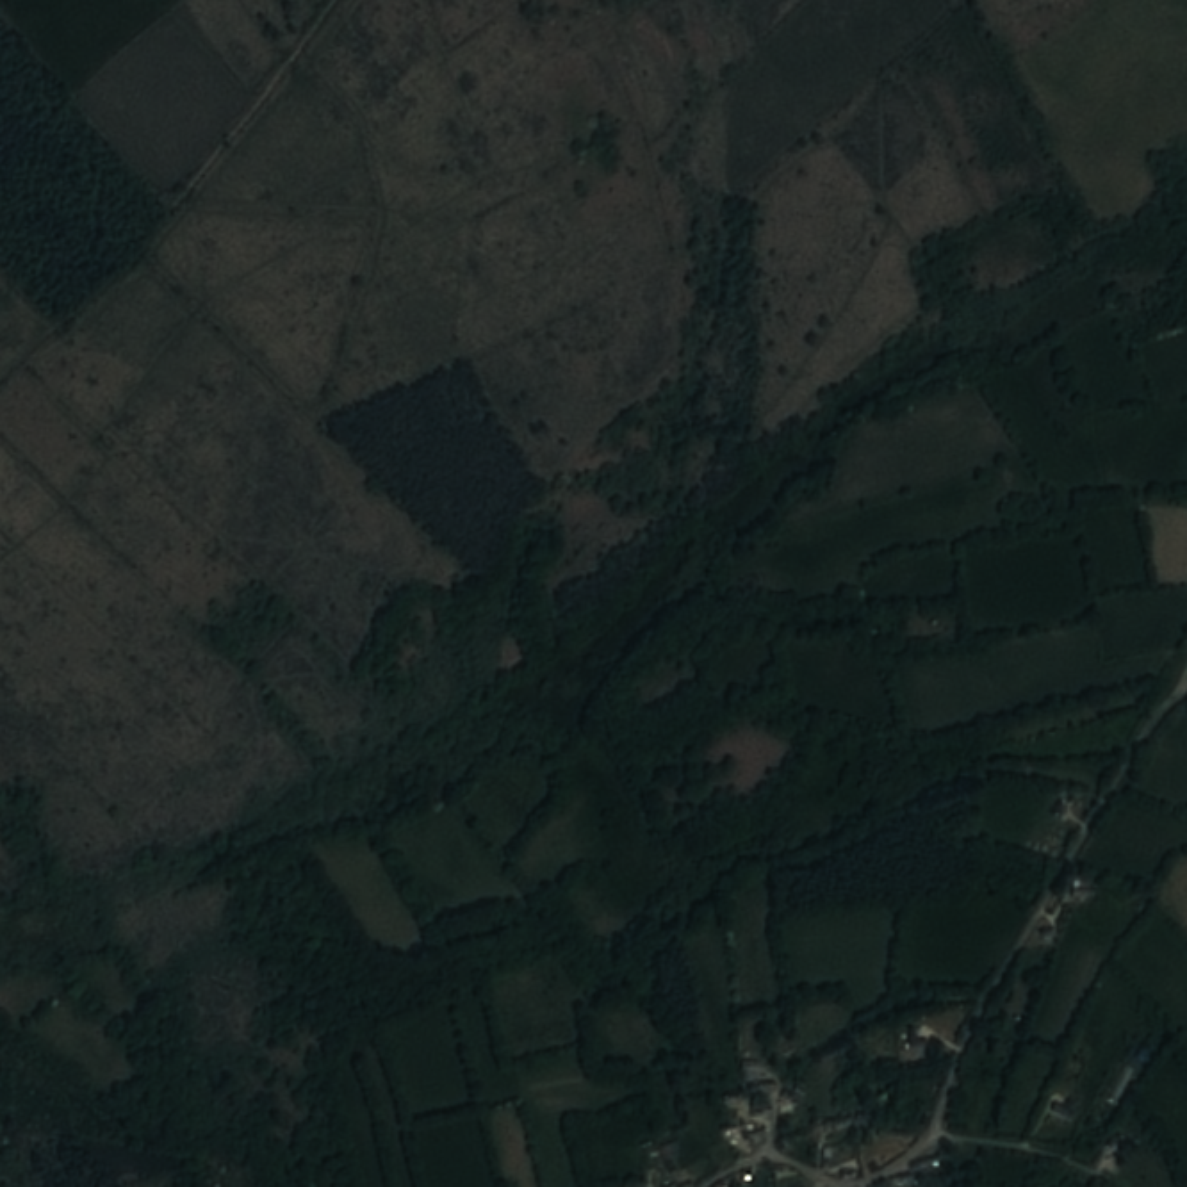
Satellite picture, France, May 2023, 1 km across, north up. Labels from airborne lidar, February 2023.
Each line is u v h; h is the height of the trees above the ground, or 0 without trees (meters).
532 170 0
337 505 0
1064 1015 0
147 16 0
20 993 0
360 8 0
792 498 11
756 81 0
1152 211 8
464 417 14
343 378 0
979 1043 7
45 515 0
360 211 0
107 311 0
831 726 9
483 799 0
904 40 0
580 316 0
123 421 0
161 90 0
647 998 14
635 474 9
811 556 0
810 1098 0
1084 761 8
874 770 8
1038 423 0
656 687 0
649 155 0
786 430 14
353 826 15
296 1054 7
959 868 18
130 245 22
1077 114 0
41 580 0
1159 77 0
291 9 9
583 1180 9
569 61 0
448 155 0
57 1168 8
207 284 0
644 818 6
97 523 0
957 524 0
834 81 0
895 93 0
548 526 9
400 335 0
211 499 0
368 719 8
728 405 5
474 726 7
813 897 19
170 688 0
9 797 14
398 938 0
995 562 0
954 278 6
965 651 10
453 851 0
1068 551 0
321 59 0
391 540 0
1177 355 0
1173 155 7
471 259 0
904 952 12
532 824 9
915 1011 18
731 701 13
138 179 8
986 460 0
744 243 8
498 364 0
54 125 11
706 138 0
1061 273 9
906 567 0
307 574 0
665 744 16
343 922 19
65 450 0
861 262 0
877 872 22
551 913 10
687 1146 0
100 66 0
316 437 0
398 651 12
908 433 0
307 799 10
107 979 0
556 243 0
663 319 0
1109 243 8
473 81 0
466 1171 0
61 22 0
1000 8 0
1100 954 0
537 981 0
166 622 0
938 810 22
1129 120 0
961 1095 11
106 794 0
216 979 0
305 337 0
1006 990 7
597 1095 0
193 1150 13
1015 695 0
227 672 0
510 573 10
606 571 13
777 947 11
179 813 0
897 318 0
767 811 14
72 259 21
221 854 9
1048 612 0
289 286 0
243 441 0
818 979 0
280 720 8
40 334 0
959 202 0
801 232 0
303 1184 12
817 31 0
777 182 0
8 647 0
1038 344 8
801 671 0
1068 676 0
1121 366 0
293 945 9
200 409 0
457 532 19
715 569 9
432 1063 0
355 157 0
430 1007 8
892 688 11
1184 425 0
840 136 0
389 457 19
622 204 0
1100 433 0
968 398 0
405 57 0
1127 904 0
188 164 0
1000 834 0
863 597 6
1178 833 0
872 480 0
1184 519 0
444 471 19
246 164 0
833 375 0
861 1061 15
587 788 0
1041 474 9
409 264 0
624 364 0
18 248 18
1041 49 0
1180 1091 0
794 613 10
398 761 11
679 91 0
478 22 0
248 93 0
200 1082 10
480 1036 0
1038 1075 0
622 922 0
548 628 16
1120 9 0
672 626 17
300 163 0
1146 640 0
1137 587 6
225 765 0
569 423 0
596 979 7
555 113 0
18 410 0
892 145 0
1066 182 7
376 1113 10
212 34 0
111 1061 0
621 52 0
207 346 0
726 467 14
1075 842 8
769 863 11
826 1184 0
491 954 13
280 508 0
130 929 0
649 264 0
